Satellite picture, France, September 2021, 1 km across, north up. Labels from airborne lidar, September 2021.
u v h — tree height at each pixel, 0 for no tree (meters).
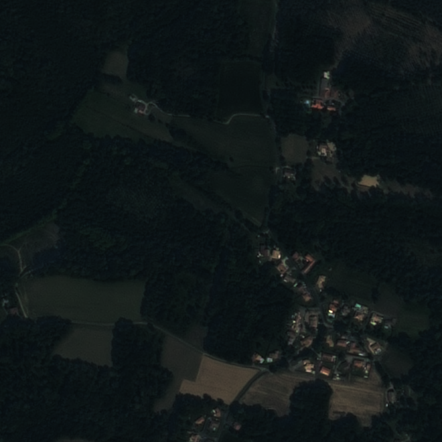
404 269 17
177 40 24
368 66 22
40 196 16
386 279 11
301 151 0
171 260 30
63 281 0
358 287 0
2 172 25
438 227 18
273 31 0
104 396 26
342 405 0
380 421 15
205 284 22
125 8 17
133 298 0
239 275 19
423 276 25
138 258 28
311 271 8
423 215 18
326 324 0
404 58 10
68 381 24
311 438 29
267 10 0
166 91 27
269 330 22
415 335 0
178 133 17
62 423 25
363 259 20
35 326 21
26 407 25
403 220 22
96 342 0
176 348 0
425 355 25
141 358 29
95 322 0
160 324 19
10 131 13
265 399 0
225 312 21
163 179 25
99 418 29
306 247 12
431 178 24
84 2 9
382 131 26
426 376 21
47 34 14
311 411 33
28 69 16
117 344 22
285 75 19
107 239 32
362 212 18
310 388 19
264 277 16
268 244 8
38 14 17
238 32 25
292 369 0
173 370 0
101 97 0
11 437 23
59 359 15
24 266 0
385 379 15
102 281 18
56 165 16
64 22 14
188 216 23
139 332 15
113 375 10
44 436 25
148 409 14
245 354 14
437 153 21
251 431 24
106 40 7
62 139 17
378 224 23
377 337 12
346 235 19
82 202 15
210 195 14
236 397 0
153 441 24
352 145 23
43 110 12
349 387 0
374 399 0
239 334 28
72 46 15
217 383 0
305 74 25
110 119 0
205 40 20
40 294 0
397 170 20
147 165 28
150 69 23
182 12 18
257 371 0
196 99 19
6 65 21
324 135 18
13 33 15
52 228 0
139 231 17
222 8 22
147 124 0
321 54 25
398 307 0
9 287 27
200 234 21
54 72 13
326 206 18
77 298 0
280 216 24
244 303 27
